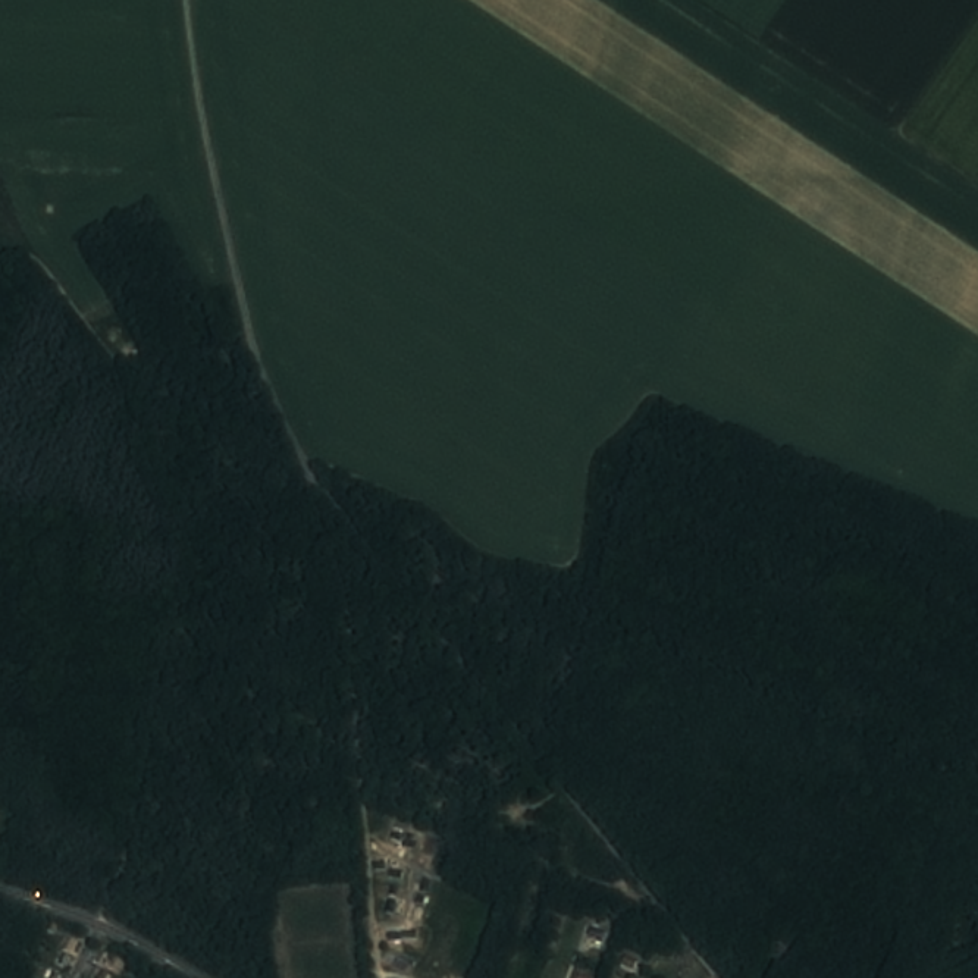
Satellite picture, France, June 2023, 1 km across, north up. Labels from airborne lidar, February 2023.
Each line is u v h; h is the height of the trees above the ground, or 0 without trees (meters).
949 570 21
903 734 18
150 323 19
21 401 17
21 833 16
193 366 21
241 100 0
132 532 14
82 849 13
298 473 17
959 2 0
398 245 0
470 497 0
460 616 16
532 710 20
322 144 0
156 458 19
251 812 18
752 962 15
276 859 11
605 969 18
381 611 19
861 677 15
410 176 0
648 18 0
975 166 0
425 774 19
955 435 0
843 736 18
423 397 0
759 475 22
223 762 17
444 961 0
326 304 0
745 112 0
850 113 0
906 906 17
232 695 22
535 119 0
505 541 0
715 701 21
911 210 0
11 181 0
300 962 0
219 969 20
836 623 19
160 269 17
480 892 17
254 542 22
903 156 0
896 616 10
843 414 0
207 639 21
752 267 0
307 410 0
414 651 22
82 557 14
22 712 14
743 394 0
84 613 14
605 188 0
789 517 22
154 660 18
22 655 14
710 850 22
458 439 0
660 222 0
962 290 0
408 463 0
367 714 19
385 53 0
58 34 0
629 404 0
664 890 19
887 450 0
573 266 0
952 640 18
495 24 0
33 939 21
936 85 0
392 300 0
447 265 0
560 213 0
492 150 0
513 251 0
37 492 16
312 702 22
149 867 19
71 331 14
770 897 17
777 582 19
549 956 17
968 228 0
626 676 24
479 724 15
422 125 0
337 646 22
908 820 20
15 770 17
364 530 19
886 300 0
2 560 12
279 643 21
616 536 19
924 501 12
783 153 0
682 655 19
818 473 20
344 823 16
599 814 21
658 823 21
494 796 19
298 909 0
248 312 0
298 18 0
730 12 0
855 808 19
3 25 0
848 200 0
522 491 0
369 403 0
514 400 0
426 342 0
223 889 20
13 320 20
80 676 13
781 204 0
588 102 0
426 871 0
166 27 0
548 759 21
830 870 15
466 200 0
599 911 18
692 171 0
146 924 20
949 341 0
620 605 17
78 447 16
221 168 0
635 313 0
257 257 0
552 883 13
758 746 23
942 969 17
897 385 0
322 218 0
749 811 13
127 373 19
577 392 0
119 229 16
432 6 0
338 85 0
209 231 0
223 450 17
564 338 0
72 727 14
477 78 0
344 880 11
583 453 0
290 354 0
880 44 0
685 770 20
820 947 13
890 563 14
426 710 25
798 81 0
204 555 18
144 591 15
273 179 0
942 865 20
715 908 21
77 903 16
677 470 20
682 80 0
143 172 0
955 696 21
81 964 0
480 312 0
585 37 0
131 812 16
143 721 21
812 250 0
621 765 23
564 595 21
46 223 0
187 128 0
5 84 0
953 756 14
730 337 0
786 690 20
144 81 0
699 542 18
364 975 14
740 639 15
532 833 14
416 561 19
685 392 0
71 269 0
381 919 0
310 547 16
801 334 0
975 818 18
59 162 0
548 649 20
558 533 0
